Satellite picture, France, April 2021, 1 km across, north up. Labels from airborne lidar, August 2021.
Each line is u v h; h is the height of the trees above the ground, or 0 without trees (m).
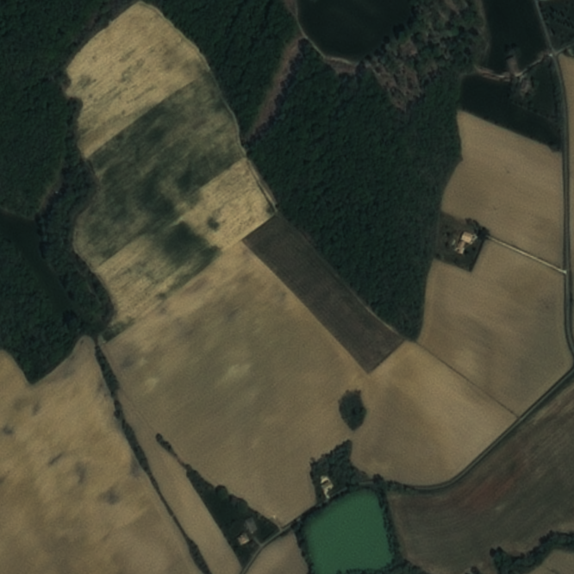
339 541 0
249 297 0
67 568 0
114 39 0
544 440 0
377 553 0
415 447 0
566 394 0
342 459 13
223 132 0
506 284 0
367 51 0
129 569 0
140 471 0
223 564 0
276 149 21
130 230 0
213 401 0
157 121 0
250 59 24
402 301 21
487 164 0
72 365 0
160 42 0
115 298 0
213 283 0
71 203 13
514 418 0
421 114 26
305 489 0
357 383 0
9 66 26
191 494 0
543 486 0
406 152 22
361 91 24
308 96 25
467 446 0
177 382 0
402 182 23
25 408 0
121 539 0
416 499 0
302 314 0
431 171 19
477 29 0
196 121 0
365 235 26
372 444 0
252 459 0
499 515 0
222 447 0
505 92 0
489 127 0
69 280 25
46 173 26
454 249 0
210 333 0
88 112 0
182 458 0
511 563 14
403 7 0
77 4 28
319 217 22
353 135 27
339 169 23
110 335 0
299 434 0
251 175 0
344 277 7
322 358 0
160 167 0
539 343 0
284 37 26
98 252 0
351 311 0
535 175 0
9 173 26
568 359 0
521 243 0
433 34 22
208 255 0
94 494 0
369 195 25
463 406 0
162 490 0
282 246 0
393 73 25
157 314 0
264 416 0
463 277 0
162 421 0
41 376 9
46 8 29
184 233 0
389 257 24
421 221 18
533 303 0
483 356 0
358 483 18
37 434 0
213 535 0
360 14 0
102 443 0
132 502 0
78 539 0
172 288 0
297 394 0
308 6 0
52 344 24
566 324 0
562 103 14
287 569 0
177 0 26
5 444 0
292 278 0
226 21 25
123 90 0
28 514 0
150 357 0
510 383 0
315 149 19
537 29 0
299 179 19
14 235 0
